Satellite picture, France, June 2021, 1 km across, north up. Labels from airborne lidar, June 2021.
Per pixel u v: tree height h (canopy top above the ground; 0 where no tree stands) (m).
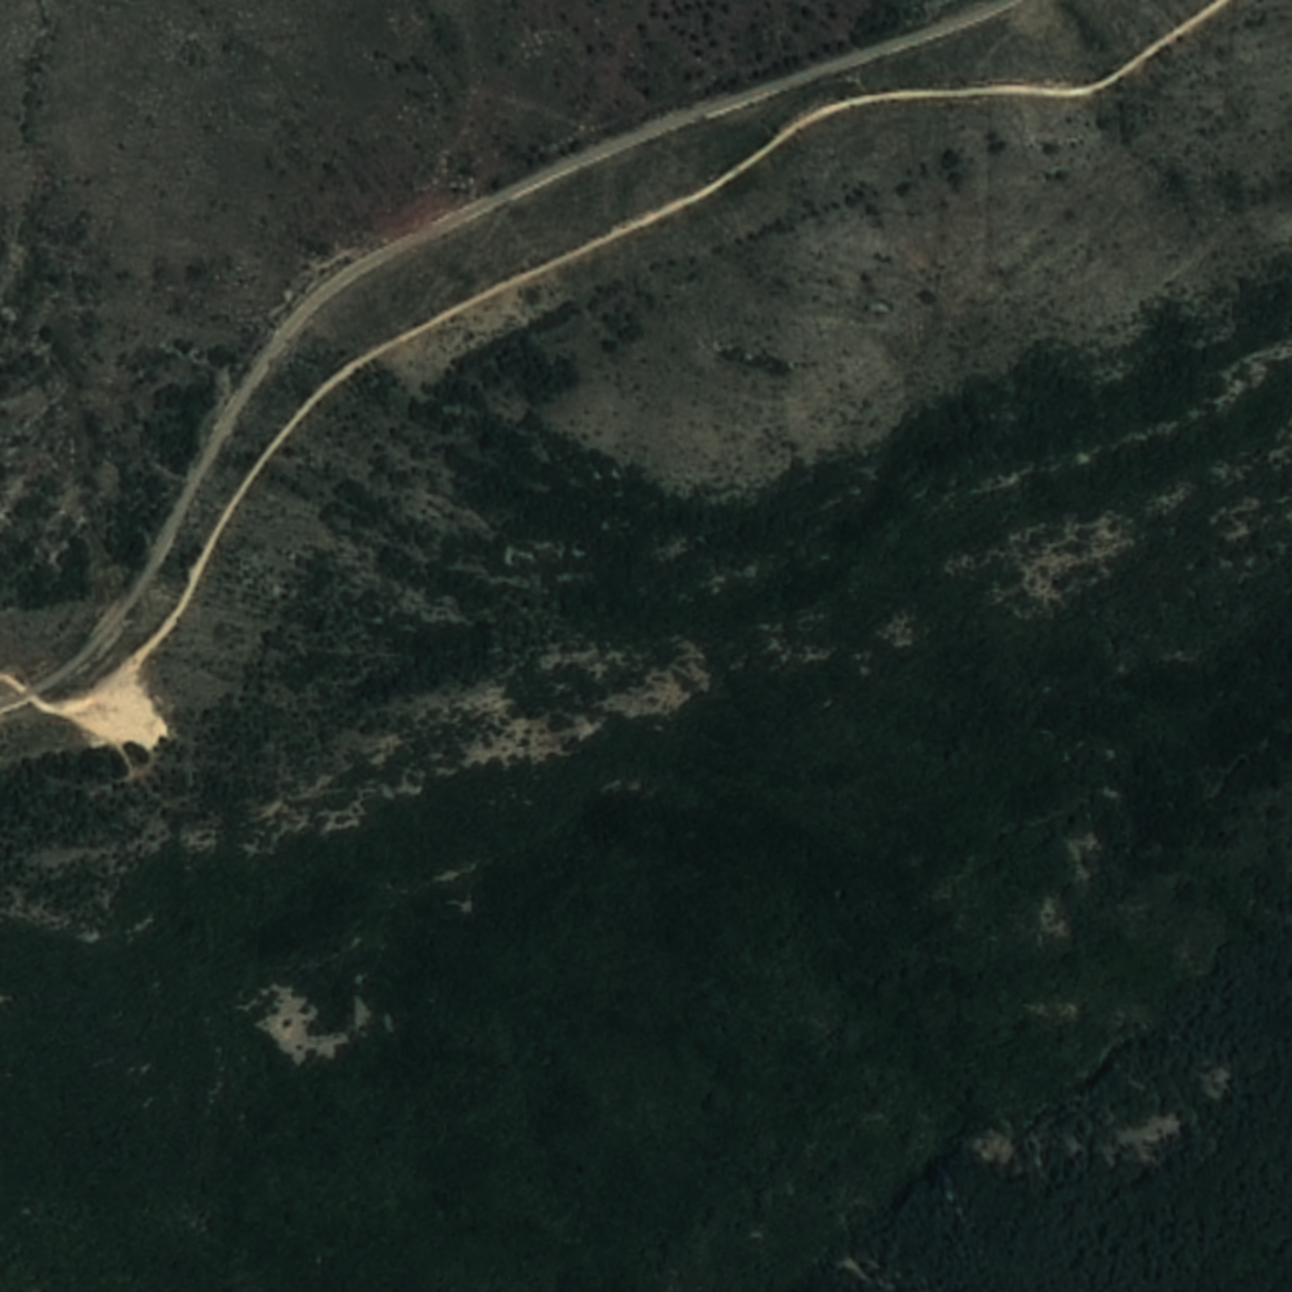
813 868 13
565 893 10
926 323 0
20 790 8
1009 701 11
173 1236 6
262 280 0
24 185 0
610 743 7
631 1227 9
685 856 15
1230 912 7
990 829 6
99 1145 15
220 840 7
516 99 0
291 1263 10
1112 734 11
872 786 10
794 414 0
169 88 0
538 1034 10
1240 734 15
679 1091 9
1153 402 10
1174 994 10
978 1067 10
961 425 9
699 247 0
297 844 9
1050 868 8
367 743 0
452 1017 8
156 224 0
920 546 9
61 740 0
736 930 9
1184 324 7
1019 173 0
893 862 11
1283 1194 16
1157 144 0
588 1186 11
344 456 0
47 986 9
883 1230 7
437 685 9
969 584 6
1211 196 0
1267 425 7
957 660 12
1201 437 9
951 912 11
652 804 10
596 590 6
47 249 0
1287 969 10
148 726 0
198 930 9
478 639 6
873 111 0
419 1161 10
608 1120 7
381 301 0
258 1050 9
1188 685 11
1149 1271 17
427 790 7
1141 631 7
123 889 6
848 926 13
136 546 6
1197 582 11
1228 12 0
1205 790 8
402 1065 11
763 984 8
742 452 0
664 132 0
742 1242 7
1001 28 0
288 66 0
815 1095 10
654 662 6
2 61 0
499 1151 10
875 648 9
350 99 0
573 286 0
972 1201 8
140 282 0
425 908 12
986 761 10
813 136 0
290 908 12
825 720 8
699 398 0
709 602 9
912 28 0
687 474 0
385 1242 8
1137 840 8
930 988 13
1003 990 8
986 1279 8
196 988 8
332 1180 8
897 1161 6
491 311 0
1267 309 8
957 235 0
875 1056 11
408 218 0
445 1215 13
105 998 8
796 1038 8
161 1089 8
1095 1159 10
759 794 10
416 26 0
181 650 0
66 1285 8
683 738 9
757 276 0
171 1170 8
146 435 6
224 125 0
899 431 6
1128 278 0
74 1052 9
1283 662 9
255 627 0
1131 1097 5
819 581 12
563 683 8
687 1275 8
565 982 11
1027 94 0
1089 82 0
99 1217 7
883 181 0
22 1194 6
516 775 8
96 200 0
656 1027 12
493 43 0
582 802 9
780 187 0
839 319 0
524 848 12
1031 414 7
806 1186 7
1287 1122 9
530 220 0
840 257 0
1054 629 6
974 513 8
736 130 0
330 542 0
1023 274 0
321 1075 8
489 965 8
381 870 11
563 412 0
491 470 5
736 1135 11
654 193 0
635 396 0
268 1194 7
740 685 11
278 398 0
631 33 0
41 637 0
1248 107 0
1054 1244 16
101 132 0
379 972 10
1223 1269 11
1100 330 0
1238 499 8
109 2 0
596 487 6
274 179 0
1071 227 0
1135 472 8
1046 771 9
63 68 0
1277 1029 16
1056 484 8
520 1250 11
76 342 0
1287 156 0
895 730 8
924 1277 6
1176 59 0
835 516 6
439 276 0
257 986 6
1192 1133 19
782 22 0
